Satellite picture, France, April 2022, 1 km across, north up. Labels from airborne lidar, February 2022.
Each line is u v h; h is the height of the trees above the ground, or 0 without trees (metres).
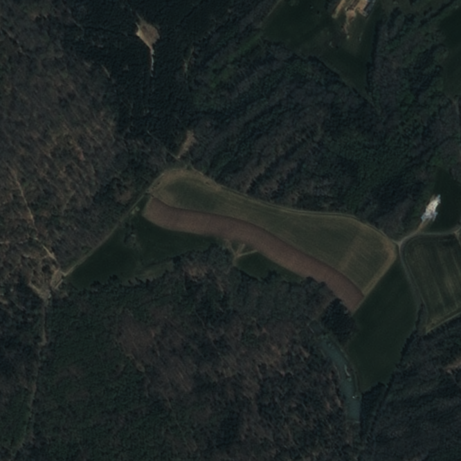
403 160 16
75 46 23
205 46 13
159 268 0
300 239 0
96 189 23
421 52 18
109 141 32
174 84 29
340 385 33
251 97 19
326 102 33
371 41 0
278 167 20
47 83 31
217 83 23
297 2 20
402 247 0
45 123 31
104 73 22
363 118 34
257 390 15
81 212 10
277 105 30
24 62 22
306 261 0
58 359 17
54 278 0
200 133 23
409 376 13
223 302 14
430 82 18
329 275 0
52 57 31
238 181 25
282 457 13
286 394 27
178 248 0
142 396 14
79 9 24
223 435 11
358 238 0
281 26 0
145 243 0
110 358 11
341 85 31
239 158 22
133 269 0
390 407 20
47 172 30
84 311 10
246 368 29
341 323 25
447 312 0
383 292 0
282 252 0
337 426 32
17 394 17
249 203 0
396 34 24
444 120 25
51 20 14
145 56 14
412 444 23
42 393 13
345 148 14
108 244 0
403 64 28
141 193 7
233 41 24
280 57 29
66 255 32
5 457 16
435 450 22
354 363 0
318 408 27
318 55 0
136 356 17
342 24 0
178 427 13
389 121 15
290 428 27
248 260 0
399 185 18
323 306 21
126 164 32
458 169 21
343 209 20
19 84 30
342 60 0
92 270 0
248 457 16
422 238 0
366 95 0
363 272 0
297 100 29
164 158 28
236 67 20
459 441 19
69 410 15
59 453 16
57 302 16
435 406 25
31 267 21
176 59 23
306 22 0
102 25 23
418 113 10
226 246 0
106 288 11
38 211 15
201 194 0
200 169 24
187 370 20
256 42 9
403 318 0
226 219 0
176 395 17
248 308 22
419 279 0
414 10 9
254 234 0
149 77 18
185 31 24
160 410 13
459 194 0
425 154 16
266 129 26
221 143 31
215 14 22
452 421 23
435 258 0
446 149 31
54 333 13
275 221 0
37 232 14
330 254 0
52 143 31
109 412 16
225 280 26
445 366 13
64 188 34
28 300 15
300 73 20
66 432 19
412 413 23
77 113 29
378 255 0
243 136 11
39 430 13
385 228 17
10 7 32
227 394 16
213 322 14
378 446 18
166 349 13
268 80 24
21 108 36
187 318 17
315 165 26
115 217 25
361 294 0
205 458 10
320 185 20
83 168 33
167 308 18
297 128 27
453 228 0
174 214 0
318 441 27
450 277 0
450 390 19
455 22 0
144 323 14
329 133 18
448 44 0
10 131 35
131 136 11
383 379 0
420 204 22
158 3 20
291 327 19
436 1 0
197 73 6
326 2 0
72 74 26
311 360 11
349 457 33
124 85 15
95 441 16
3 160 34
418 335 13
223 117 23
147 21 22
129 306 13
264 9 29
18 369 22
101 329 16
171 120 29
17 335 11
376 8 0
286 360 23
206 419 13
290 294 17
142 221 0
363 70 0
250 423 17
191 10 17
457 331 24
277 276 18
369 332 0
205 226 0
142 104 18
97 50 13
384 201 15
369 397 16
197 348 21
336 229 0
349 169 23
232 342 19
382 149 18
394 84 28
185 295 14
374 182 17
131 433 16
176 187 0
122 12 21
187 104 27
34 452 20
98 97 22
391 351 0
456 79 0
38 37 33
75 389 17
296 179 24
